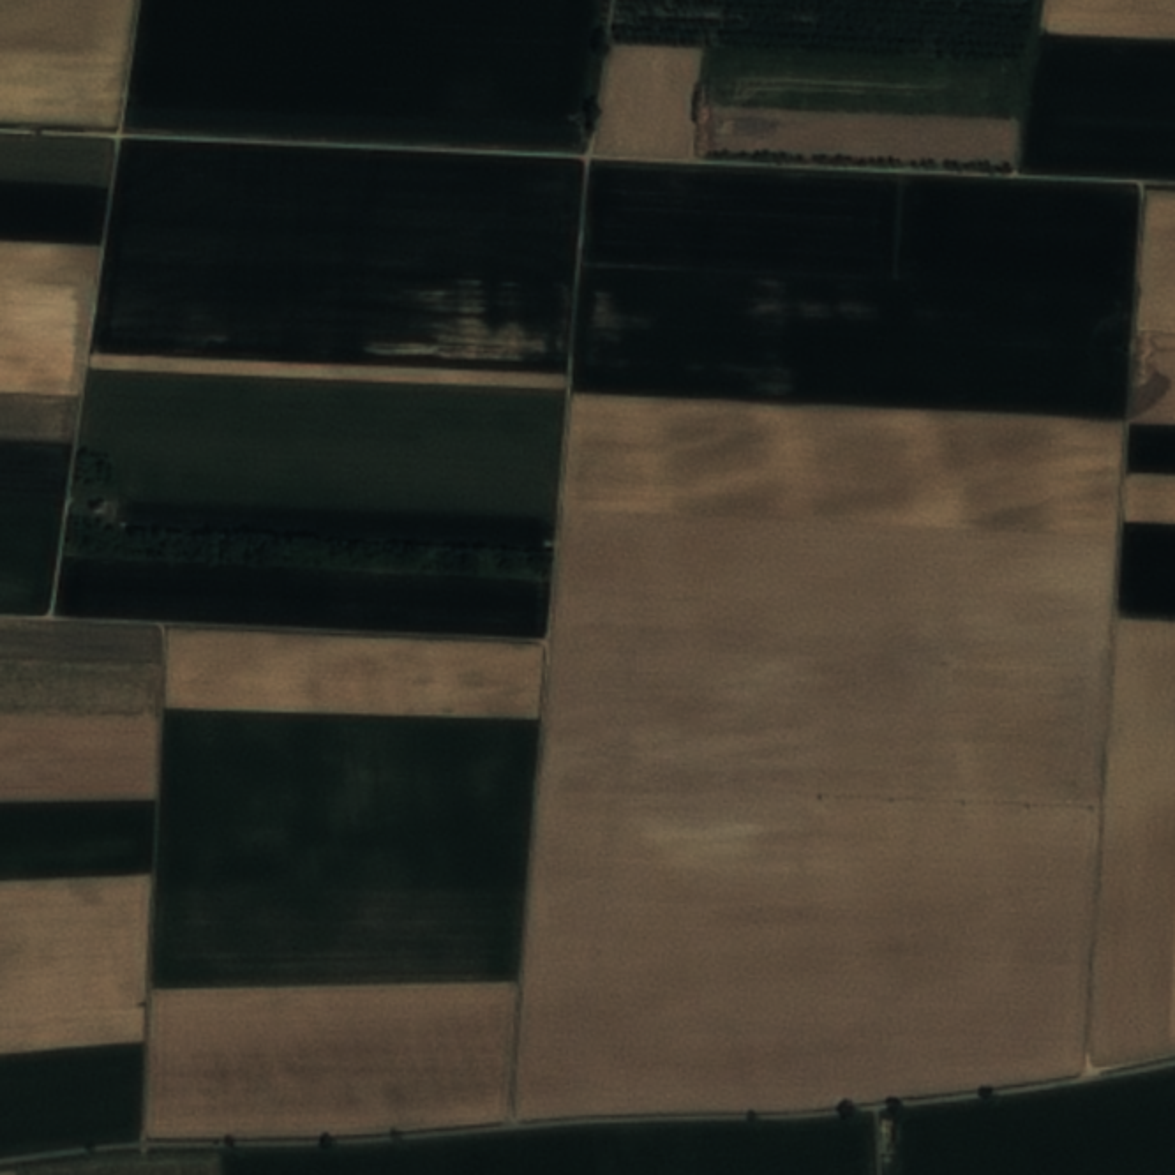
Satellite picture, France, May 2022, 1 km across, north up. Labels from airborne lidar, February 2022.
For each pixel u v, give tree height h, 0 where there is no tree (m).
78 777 0
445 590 0
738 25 6
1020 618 0
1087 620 0
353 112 0
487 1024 0
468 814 0
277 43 0
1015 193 0
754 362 0
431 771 0
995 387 0
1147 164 0
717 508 0
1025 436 0
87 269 0
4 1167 0
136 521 0
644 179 0
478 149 0
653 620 0
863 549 0
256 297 0
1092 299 0
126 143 0
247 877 0
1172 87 0
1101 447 0
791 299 0
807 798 0
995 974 0
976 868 0
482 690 0
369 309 0
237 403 0
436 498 0
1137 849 0
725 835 0
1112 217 0
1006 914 0
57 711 0
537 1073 0
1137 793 0
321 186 0
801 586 0
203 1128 0
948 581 0
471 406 0
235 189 0
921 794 0
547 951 0
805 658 0
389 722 0
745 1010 0
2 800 0
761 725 0
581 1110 0
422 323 0
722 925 0
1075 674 0
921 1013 0
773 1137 0
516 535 0
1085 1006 0
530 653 0
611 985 0
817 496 0
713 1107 0
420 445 0
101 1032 0
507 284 0
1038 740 0
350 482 0
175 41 0
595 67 0
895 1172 0
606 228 0
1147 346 0
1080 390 0
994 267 0
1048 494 0
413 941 0
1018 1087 0
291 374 0
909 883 0
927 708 0
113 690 0
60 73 0
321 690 0
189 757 0
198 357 0
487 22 0
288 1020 0
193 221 0
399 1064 0
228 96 0
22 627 0
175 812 0
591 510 0
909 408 0
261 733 0
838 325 0
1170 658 0
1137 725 0
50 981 0
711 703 0
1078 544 0
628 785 0
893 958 0
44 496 0
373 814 0
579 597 0
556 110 0
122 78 0
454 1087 0
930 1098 0
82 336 0
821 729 0
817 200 0
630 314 0
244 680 0
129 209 0
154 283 0
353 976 0
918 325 0
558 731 0
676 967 0
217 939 0
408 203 0
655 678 0
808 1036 0
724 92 0
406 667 0
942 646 0
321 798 0
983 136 0
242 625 0
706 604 0
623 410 0
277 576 0
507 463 0
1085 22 0
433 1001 0
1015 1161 0
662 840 0
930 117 0
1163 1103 0
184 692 0
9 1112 0
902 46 9
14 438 0
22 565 0
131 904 0
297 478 0
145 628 0
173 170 0
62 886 0
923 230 0
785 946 0
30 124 0
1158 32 0
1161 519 0
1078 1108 0
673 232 0
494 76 0
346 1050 0
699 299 0
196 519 0
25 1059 0
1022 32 8
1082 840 0
